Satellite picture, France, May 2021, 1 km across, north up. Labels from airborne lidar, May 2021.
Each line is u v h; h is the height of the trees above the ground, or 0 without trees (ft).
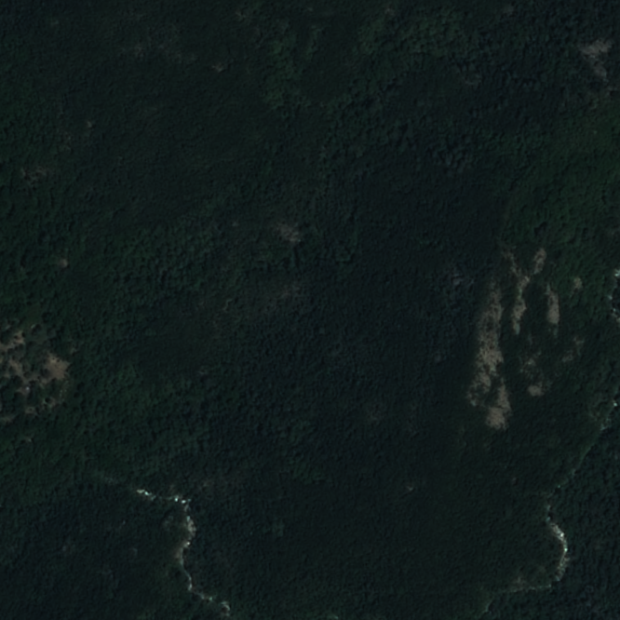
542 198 36
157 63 37
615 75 23
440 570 72
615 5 37
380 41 67
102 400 37
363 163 41
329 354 29
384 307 41
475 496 51
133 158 36
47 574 28
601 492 52
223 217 50
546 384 24
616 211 53
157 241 82
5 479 46
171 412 68
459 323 33
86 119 36
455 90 28
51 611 40
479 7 38
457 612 70
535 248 29
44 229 42
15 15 34
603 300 62
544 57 84
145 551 31
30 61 41
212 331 35
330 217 32
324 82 34
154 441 47
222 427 71
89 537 60
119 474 70
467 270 27
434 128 45
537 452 77
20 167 66
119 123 34
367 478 38
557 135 30
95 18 25
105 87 42
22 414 60
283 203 35
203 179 44
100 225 49
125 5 32
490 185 33
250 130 34
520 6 64
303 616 35
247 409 43
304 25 49
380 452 48
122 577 45
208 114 34
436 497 46
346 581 41
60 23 29
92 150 32
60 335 60
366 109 61
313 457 62
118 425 73
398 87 57
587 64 26
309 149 44
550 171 17
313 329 32
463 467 57
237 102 31
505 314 31
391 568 50
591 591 21
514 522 52
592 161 58
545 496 26
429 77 35
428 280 35
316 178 37
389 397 32
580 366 45
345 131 82
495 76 35
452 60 20
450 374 44
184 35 31
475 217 38
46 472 56
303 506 45
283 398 42
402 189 29
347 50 37
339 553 28
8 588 46
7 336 48
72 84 48
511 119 45
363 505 46
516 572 22
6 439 73
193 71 44
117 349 38
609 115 33
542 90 40
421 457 48
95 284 45
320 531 45
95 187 40
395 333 46
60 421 72
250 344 55
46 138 42
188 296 53
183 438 78
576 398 41
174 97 46
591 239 101
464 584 63
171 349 40
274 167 58
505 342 54
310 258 67
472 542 60
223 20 29
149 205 27
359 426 40
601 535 44
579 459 48
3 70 32
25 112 61
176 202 60
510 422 53
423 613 67
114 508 39
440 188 41
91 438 58
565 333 28
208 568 29
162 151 30
